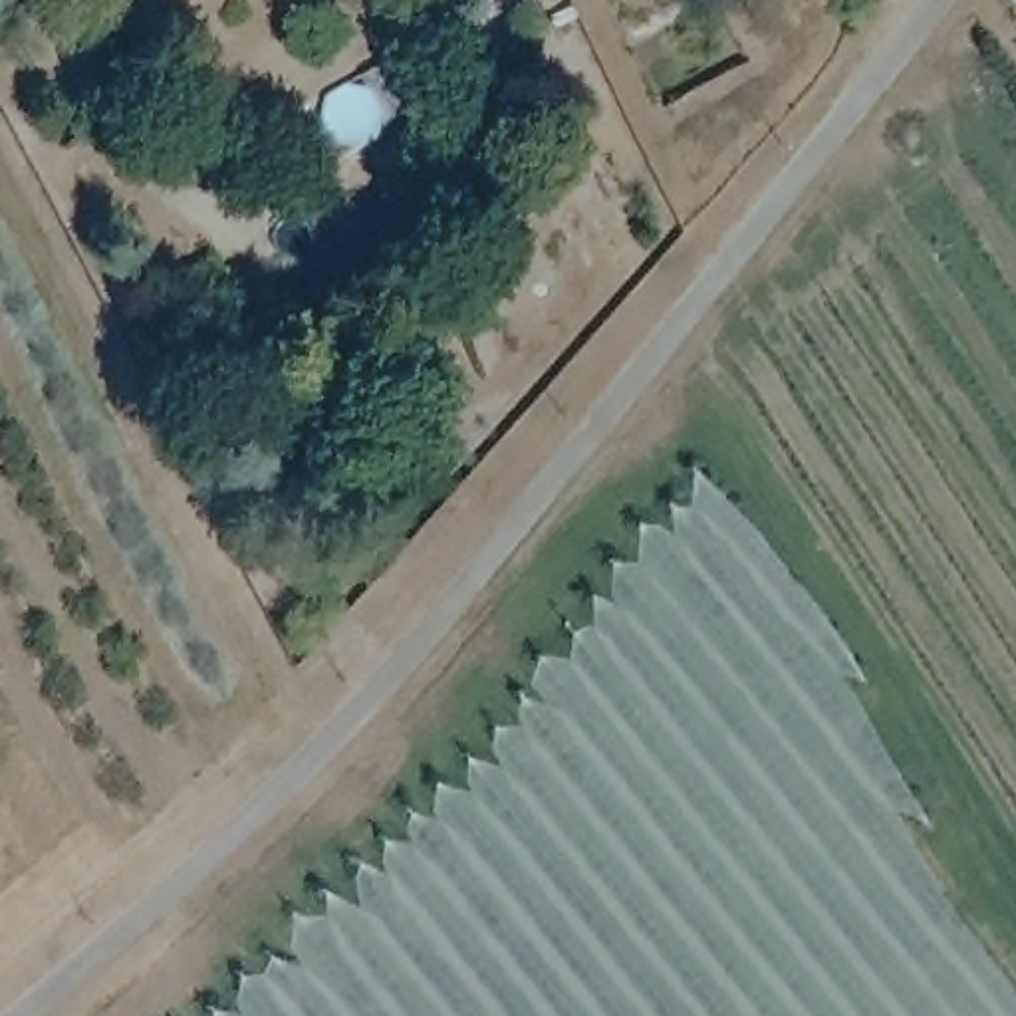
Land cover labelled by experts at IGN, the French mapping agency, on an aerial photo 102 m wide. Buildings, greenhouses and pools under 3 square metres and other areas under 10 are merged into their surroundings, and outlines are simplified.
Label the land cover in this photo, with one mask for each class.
<instances>
[{"label":"deciduous trees","instance_id":"1","mask_svg":"<svg viewBox=\"0 0 1016 1016\"><path fill-rule=\"evenodd\" d=\"M28 16L40 20V28L56 40L60 67L44 71V115L32 127L64 147L91 143L131 183L179 187L210 191L226 214L250 218L258 210H270V226H318L349 202L353 191L337 183V143L329 139L321 119L302 107L298 91L274 83L270 75L222 67V48L218 40H210L191 0H0V48L24 28ZM500 12V0H318L286 16L282 48L302 64L318 67L329 64L345 48V40H357L365 32L369 56L385 91L393 95V111L409 119L401 135V163L421 167L425 159H476L496 183L488 206L468 191L433 187L429 214H421L417 234L389 246V270L349 278V290L329 298L325 318L310 314L302 298H278L274 286H262L246 298L238 274L230 270V258L206 246L179 254L167 242L159 246L143 230H135L139 210L119 202L107 218H95V230L83 238V246L99 258L107 302L99 310L95 357L111 405L151 433L159 460L187 480V496L214 528L218 548L242 572L274 575L282 591L270 603V627L282 643V655L294 667L306 663L314 639H329V615L353 607L397 564L405 544L441 512V504L464 484L456 468L464 464V456H472V448L460 445L452 413L464 409V377L441 345L448 341V333H484L480 325L488 321V314L504 298H512L532 262L528 214L552 210L583 179L595 147L587 123L595 115V95L579 75H572L560 60L548 56L528 75L500 71L488 60V24ZM552 24L540 0H520V8L512 12V32L532 40H540ZM762 8V0H679V20L671 28L675 36L683 28H699V52L718 48V28L730 12L750 20ZM984 95L992 99L1004 87L1016 95V48L1000 52L996 36L984 24L972 28ZM627 226L647 254L651 246H659L667 230L655 226L647 191L639 183H627ZM0 476L16 488L20 512H28L48 536L52 564L60 572L79 568L87 544L56 512L48 476L36 460V448L28 445L24 425L16 417H0ZM591 623L572 635V651L536 659L532 687L520 691V718L512 726H496L492 734L496 758L488 762L484 778L468 770V782L460 790L437 782L433 814L409 810V837L385 841L381 865L357 861V901L325 893V913H294V960H266V972H250L238 980V1004L230 1012L214 1008L210 1016H1016V980L960 925L945 889V865L929 849H921L905 826V814L921 818L925 806L909 794L865 706L849 691V679H865L849 643L833 631L814 595L790 579L786 564L774 556L766 536L722 496L718 484L695 472L691 500L671 504V520L663 524H639L635 560L611 564V595L591 599ZM64 607L83 627L103 607L99 587L87 583L64 591ZM20 639L44 667L40 695L56 710L75 706L83 695L79 671L60 655L48 611L32 607L24 611ZM143 659V639L115 623L99 635V667L111 679H127ZM139 718L147 726H167L175 718V702L163 687H147L139 699ZM95 782L107 798L135 806L143 798V786L123 754H111L99 766Z\"/></svg>","mask_w":1016,"mask_h":1016},{"label":"herbaceous vegetation","instance_id":"2","mask_svg":"<svg viewBox=\"0 0 1016 1016\"><path fill-rule=\"evenodd\" d=\"M210 40H218L222 48V67L270 75L274 83L298 91L302 107L321 119L325 111L318 107V87L369 56L365 32L357 40H345V48L329 64L318 67L302 64L282 48L286 16L318 0H191ZM552 24L540 40H532L512 32V12L520 8V0H500V12L488 24V60L500 71L528 75L548 56L560 60L572 75H579L595 95V115L587 123L595 147L583 179L552 210L528 214L532 262L512 298H504L488 314V321L480 325L484 333H448V341L441 345L464 377V409L452 413L460 445L472 448V456H464V464L456 468L464 484L441 504V512L405 544L397 564L353 607L329 615V639H314L306 663L294 667L282 655V643L270 627V603L282 591L274 575L242 572L218 548L214 528L187 496V480L159 460L151 433L111 405L95 357L99 310L107 302L99 258L83 246V238L95 230V218H107L119 202L139 210L135 230H143L159 246L167 242L179 254L206 246V238L194 226H187L175 210L179 187L131 183L91 143L64 147L32 127L44 115V71L60 67L56 40L40 28V20L28 16L24 28L0 48V417H16L24 425L28 445L36 448V460L48 476L56 512L87 544L79 568L60 572L52 564L48 536L28 512H20L16 488L0 476V1016H8L32 992H40L67 960L95 945L119 917H127L194 849H202V841L234 818L242 802H250L266 782H274V774L321 726H329L333 714L369 683V675L393 655V647L452 587L460 568L492 540L496 524L508 516L528 480L544 468V460L564 448V441L572 437L568 425L587 413V405L615 377V369L663 321L667 306L691 282L695 266L746 214L750 198L790 159V151L826 119L853 67L865 60V52H881L893 40V32L917 12L921 0H762V8L750 20L730 12L718 28V48L699 52V28H683L675 36L671 28L679 20V0H540ZM627 183H639L647 191L655 226L667 230L659 246H651L647 254L627 226ZM87 583L99 587L103 607L83 627L64 607V591ZM32 607L48 611L60 655L79 671L83 695L75 706L56 710L40 695L44 667L20 639L24 611ZM115 623L143 639V659L127 679H111L99 667V635ZM147 687H163L175 702V718L167 726H147L139 718V699ZM111 754H123L143 786V798L135 806L107 798L95 782L99 766ZM409 119L393 111L381 135L365 143V151L357 143H337V183L353 191L349 202L318 226H270V238L294 254V266H266L254 254L230 258V270L238 274L246 298L262 286H274L278 298H302L310 314L325 318L329 298L349 290V278L389 270V246L417 234L421 214H429L433 187L468 191L488 206L496 183L476 159H425L421 167L401 163V135ZM722 329V310L714 306L671 353L655 385L643 389L639 401L611 425L607 445L591 456L583 476L560 492V500L548 508V524H536L524 536V544L488 579L484 595L456 619L452 631L437 639L433 655L409 671V679L385 702V710L373 714L341 746L333 782L306 810H278L183 905H175L151 937L127 949L52 1016H210L214 1008L230 1012L238 1004V980L250 972H266V960H294V913H325V893L357 901V861L381 865L385 841L409 837V810L433 814L437 782L460 790L468 782V770L484 778L488 762L496 758L492 734L496 726H512L520 718V691L532 687L536 659L572 651V635L591 623V599L611 595V564L635 560L639 524H663L671 520V504L691 500L695 472L718 484L722 496L766 536L774 556L786 564L790 579L814 595L833 631L849 643L865 679H849V691L865 706L909 794L925 806L921 818L905 814V826L921 849H929L945 865V889L960 925L1016 980V802L1004 814L992 810V798L976 782L964 754L953 746L929 699L921 695L917 667L885 647L865 607L841 579V572L829 564L826 552H818L806 516L774 480L762 445L738 421L718 417L714 409L683 425L687 365L702 369L706 377L722 369L714 357V337Z\"/></svg>","mask_w":1016,"mask_h":1016},{"label":"agricultural land","instance_id":"3","mask_svg":"<svg viewBox=\"0 0 1016 1016\"><path fill-rule=\"evenodd\" d=\"M984 24L996 36L1000 52L1016 48V0H953L933 36L925 40V48L873 99L865 119L829 155L822 175L786 206V214L750 254L746 270L718 294L714 306L722 310V329L714 337V357L722 369L706 377L702 369L687 365L683 425L714 409L718 417L738 421L762 445L774 480L806 516L818 552H826L829 564L841 572V579L865 607L885 647L917 667L921 695L929 699L953 746L964 754L976 782L992 798V810L1004 814L1016 802V95L1004 87L992 99L984 95L972 28Z\"/></svg>","mask_w":1016,"mask_h":1016},{"label":"impervious surface","instance_id":"4","mask_svg":"<svg viewBox=\"0 0 1016 1016\"><path fill-rule=\"evenodd\" d=\"M953 0H921L917 12L893 32V40L881 52H865V60L853 67L826 119L790 151V159L750 198L746 214L695 266L691 282L667 306L663 321L615 369V377L587 405V413L568 425L572 437L564 441V448L544 460V468L528 480L508 516L496 524L492 540L460 568L452 587L393 647V655L369 675V683L333 714L329 726H321L274 774V782H266L250 802H242L234 818L202 841V849H194L127 917H119L95 945L67 960L40 992H32L8 1016H52L127 949L151 937L175 905H183L278 810H306L333 782L341 746L373 714L385 710V702L409 679V671L433 655L437 639L452 631L456 619L484 595L488 579L524 544V536L536 524H548V508L560 500V492L583 476L591 456L607 445L611 425L639 401L643 389L655 385L671 353L714 306L718 294L746 270L750 254L786 214V206L822 175L829 155L865 119L873 99L925 48V40L933 36ZM349 83L385 91L369 56L318 87V107L325 111V99ZM175 210L187 226H194L206 238V246L230 258L254 254L266 266H294V254L270 238V210H258L250 218L226 214L210 191L179 187Z\"/></svg>","mask_w":1016,"mask_h":1016},{"label":"swimming pool","instance_id":"5","mask_svg":"<svg viewBox=\"0 0 1016 1016\"><path fill-rule=\"evenodd\" d=\"M393 111V95L385 91L349 83L325 99V111L321 119L329 139L337 143H357L365 151V143L381 135Z\"/></svg>","mask_w":1016,"mask_h":1016}]
</instances>
